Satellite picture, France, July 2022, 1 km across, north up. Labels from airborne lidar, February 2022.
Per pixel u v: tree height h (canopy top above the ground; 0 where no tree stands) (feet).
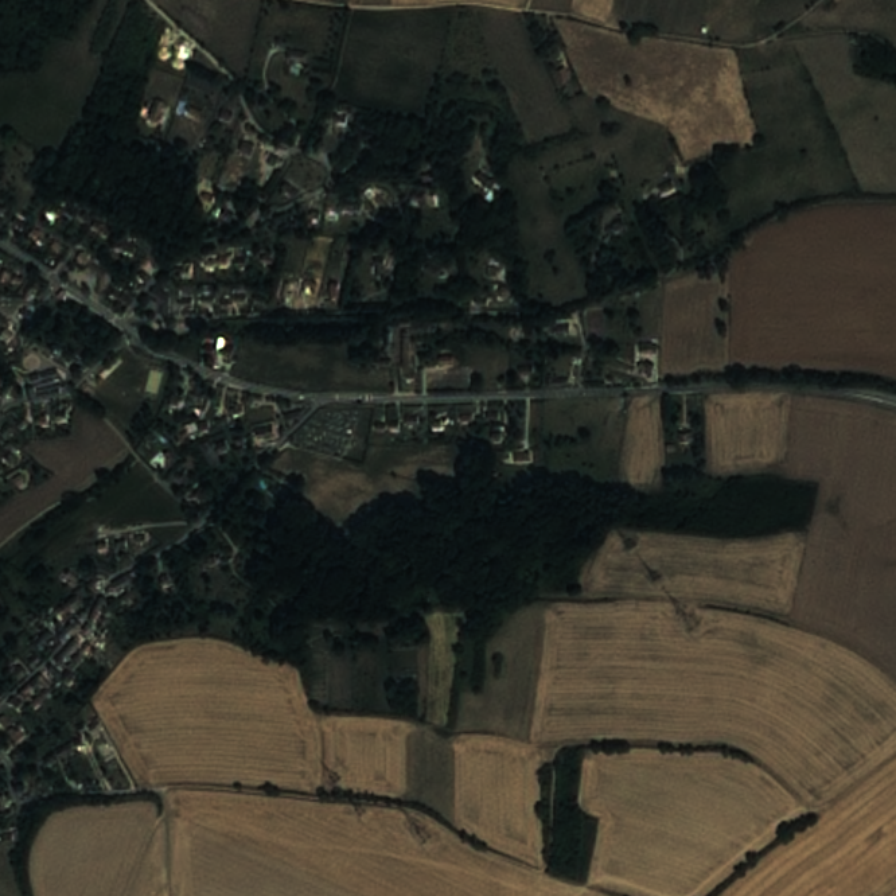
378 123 40
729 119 0
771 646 0
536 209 0
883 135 0
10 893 0
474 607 58
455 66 0
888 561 0
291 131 38
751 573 0
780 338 0
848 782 0
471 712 0
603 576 0
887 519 0
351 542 76
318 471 0
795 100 0
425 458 0
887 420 0
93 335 76
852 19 0
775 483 0
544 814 34
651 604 0
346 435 0
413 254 37
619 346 53
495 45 0
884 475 0
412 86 0
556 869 24
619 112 0
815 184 0
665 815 0
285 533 99
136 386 0
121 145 89
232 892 0
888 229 0
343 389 0
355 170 32
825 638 0
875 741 0
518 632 0
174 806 0
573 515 73
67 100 0
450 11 0
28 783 0
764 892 0
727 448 0
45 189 73
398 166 57
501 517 102
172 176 84
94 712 0
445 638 0
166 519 0
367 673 0
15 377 24
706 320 0
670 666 0
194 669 0
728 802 0
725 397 0
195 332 69
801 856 0
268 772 0
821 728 0
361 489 0
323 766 0
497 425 35
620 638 0
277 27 0
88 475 0
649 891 0
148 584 38
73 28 38
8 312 41
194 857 0
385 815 0
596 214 34
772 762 0
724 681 0
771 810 0
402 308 57
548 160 0
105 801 26
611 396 0
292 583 87
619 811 0
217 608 46
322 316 48
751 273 0
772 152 0
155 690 0
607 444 0
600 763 0
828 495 0
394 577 72
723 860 0
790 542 0
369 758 0
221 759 0
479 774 0
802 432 0
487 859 0
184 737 0
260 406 0
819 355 0
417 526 87
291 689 0
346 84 0
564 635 0
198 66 56
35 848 0
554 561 72
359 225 32
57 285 0
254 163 0
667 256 58
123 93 54
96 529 0
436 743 0
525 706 0
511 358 0
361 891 0
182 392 42
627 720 0
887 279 0
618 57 0
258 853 0
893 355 0
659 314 0
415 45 0
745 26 0
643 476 0
